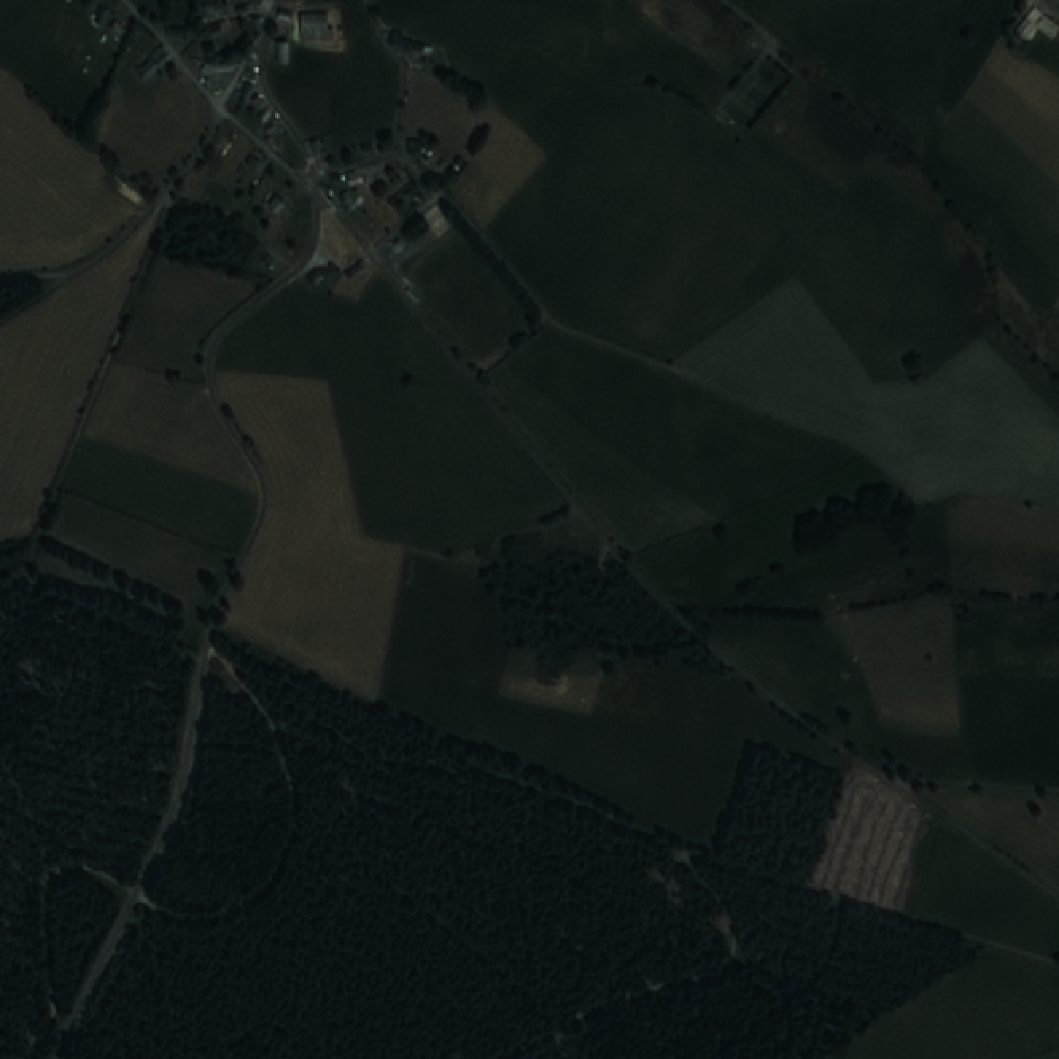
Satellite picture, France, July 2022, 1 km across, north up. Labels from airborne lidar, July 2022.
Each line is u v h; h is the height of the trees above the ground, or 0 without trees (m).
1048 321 0
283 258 0
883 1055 0
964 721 0
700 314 0
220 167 0
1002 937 0
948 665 0
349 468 0
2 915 15
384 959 19
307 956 15
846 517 25
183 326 0
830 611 0
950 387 0
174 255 17
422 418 0
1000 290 0
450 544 0
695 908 21
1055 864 0
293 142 0
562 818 21
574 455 0
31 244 0
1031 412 0
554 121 0
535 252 0
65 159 0
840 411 0
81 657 20
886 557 0
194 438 0
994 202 0
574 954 22
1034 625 0
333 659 0
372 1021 19
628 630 6
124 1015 19
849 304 0
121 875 24
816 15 0
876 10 0
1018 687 0
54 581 10
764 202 0
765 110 8
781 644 0
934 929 18
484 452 0
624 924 23
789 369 0
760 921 19
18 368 0
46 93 0
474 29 0
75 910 16
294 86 0
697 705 0
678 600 0
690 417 0
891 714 0
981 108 0
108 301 0
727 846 22
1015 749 0
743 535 0
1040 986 0
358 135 0
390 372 0
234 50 13
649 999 19
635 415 0
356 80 0
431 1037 17
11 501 0
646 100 0
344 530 0
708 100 0
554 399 0
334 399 0
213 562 0
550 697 0
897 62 0
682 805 0
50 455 0
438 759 22
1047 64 0
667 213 0
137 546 0
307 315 0
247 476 0
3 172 0
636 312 0
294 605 0
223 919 22
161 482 0
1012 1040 0
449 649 0
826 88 0
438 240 0
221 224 6
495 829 21
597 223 0
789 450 0
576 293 0
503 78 0
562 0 0
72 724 14
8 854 16
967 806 0
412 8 0
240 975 23
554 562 8
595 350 0
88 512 0
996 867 0
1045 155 0
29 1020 17
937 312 0
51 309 0
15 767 19
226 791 19
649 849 23
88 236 0
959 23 0
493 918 23
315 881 18
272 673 24
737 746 0
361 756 23
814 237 0
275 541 0
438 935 21
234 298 0
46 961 9
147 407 0
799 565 0
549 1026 24
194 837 20
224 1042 25
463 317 0
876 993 21
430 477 0
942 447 0
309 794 26
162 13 8
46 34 0
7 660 21
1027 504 8
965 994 0
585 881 24
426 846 19
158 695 19
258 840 25
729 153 0
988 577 0
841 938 20
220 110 0
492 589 13
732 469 0
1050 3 0
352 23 0
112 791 15
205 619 24
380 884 22
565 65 0
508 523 0
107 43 0
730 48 0
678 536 0
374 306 0
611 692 0
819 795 22
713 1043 23
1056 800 0
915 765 0
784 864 23
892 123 0
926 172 6
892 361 0
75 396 0
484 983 22
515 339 14
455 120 0
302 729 23
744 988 26
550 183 0
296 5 0
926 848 0
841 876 0
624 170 0
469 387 0
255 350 0
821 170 0
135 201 0
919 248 0
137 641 23
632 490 0
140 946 25
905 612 0
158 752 13
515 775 12
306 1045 23
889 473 0
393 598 0
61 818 16
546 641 10
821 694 0
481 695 0
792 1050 21
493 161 0
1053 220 0
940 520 0
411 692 0
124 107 0
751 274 0
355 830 18
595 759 0
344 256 0
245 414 0
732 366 0
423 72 0
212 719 19
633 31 0
